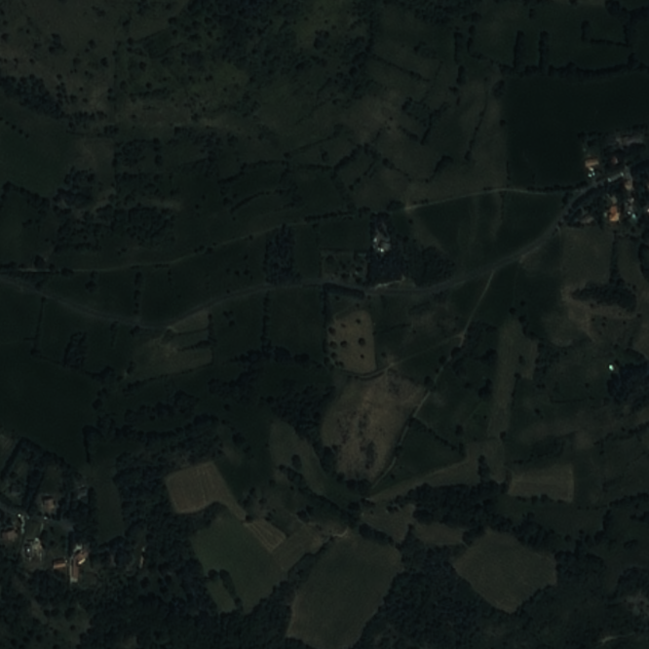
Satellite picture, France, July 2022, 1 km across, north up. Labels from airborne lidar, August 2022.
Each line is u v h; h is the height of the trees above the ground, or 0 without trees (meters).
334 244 0
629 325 0
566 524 0
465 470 0
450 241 0
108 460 0
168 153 0
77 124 9
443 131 0
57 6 0
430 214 0
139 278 13
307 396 7
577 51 0
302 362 18
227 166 0
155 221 13
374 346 0
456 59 8
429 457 0
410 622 7
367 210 12
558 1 0
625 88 0
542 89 0
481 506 14
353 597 0
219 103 0
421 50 7
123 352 0
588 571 5
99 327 0
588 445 0
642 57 0
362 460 0
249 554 0
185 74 0
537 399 0
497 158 0
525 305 8
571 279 0
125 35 0
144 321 0
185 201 0
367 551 0
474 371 0
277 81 0
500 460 0
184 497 0
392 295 0
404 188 0
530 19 8
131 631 15
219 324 0
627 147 13
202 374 0
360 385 0
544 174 0
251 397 22
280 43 8
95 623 13
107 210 12
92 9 0
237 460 0
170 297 0
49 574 18
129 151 10
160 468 12
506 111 0
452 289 0
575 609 7
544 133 0
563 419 0
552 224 0
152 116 0
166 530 6
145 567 6
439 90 0
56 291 0
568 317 0
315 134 0
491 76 0
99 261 0
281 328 0
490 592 0
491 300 0
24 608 16
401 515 0
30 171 0
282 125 0
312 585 0
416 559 8
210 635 16
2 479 10
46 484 0
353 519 19
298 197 7
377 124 0
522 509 0
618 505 13
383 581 0
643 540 0
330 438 0
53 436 0
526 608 7
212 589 0
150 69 0
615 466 0
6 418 0
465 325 0
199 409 0
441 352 0
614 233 6
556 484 0
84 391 0
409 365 0
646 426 11
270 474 0
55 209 9
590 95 0
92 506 15
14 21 0
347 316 0
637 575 11
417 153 0
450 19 13
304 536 0
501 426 0
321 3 0
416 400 0
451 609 13
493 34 0
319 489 0
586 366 0
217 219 0
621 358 0
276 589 10
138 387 13
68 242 6
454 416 0
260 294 0
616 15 19
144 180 9
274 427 0
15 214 0
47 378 0
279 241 11
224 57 11
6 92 16
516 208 0
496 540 0
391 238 11
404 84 0
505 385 0
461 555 0
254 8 20
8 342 0
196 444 11
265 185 0
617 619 6
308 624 0
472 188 0
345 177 0
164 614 17
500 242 0
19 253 0
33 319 0
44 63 0
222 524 0
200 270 0
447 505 16
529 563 0
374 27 10
